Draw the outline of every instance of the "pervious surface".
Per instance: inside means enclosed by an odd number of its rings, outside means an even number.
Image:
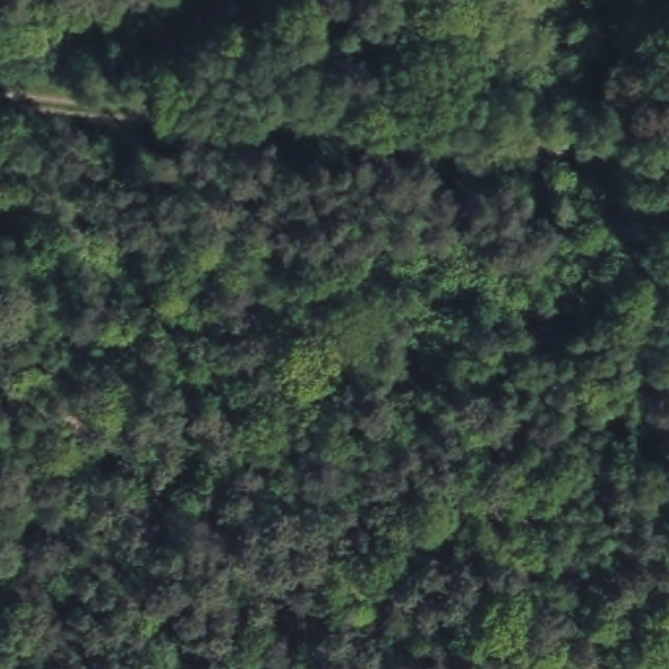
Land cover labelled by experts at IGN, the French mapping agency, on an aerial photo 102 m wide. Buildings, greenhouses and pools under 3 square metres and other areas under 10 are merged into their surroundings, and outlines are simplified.
[[[76,99],[68,97],[65,89],[60,89],[57,94],[29,94],[29,99],[39,102],[42,112],[73,115]]]

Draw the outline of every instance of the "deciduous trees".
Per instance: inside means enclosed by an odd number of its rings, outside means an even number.
[[[167,643],[154,648],[154,661],[141,669],[178,669],[175,648]]]
[[[481,530],[478,546],[483,549],[483,554],[499,564],[515,567],[517,572],[562,575],[562,570],[575,567],[580,578],[588,578],[596,564],[612,567],[614,549],[640,562],[669,562],[669,483],[666,476],[656,470],[645,473],[619,468],[612,476],[617,483],[617,504],[601,510],[593,491],[593,473],[588,468],[567,468],[559,473],[554,483],[536,486],[533,481],[528,481],[525,476],[544,460],[536,449],[528,457],[523,457],[510,473],[502,473],[497,494],[481,499],[481,491],[476,486],[483,465],[470,463],[463,473],[463,481],[455,476],[447,478],[447,486],[431,483],[421,491],[423,499],[431,504],[431,523],[416,528],[395,528],[392,557],[387,562],[376,564],[371,572],[361,572],[353,578],[342,564],[332,567],[337,588],[329,591],[332,614],[327,617],[332,627],[363,627],[374,622],[376,604],[405,572],[413,549],[442,546],[455,533],[460,515],[476,515]]]
[[[222,282],[230,293],[248,290],[267,277],[269,243],[256,243],[243,256],[240,267]]]
[[[84,319],[78,327],[60,324],[55,319],[57,303],[44,301],[34,303],[34,321],[29,324],[29,335],[0,350],[0,389],[5,389],[8,379],[21,382],[24,374],[31,371],[55,379],[57,371],[68,366],[68,355],[76,345],[94,342],[91,353],[102,355],[110,345],[99,342],[107,329],[102,329],[99,324],[86,324]]]
[[[512,651],[510,659],[517,664],[517,669],[598,669],[598,659],[580,666],[570,659],[567,645],[575,625],[567,625],[554,630],[538,651],[528,653],[528,648],[523,645]]]
[[[342,42],[342,52],[358,52],[368,42],[408,44],[421,37],[429,37],[418,55],[418,63],[402,73],[397,73],[392,65],[382,65],[382,76],[376,76],[368,84],[345,81],[340,86],[329,86],[319,78],[316,60],[327,55],[327,26],[348,18],[345,0],[306,0],[298,8],[295,24],[285,42],[280,47],[264,44],[259,50],[259,65],[251,73],[235,71],[235,63],[243,55],[243,34],[240,29],[233,29],[230,47],[222,50],[217,60],[209,60],[196,73],[193,86],[183,89],[175,76],[167,76],[162,81],[157,102],[157,136],[178,136],[212,144],[259,144],[274,128],[285,125],[295,133],[335,133],[371,154],[392,154],[418,146],[434,157],[452,157],[473,175],[483,175],[494,165],[515,165],[517,159],[536,157],[538,149],[570,149],[580,159],[609,157],[614,154],[614,146],[622,139],[617,115],[606,115],[606,123],[591,136],[570,133],[567,118],[572,102],[559,102],[554,107],[554,118],[533,118],[533,105],[541,94],[541,86],[554,84],[549,73],[549,60],[557,50],[557,29],[538,26],[536,18],[546,10],[557,10],[557,0],[376,0],[371,10],[363,16],[361,29],[355,29],[353,37]]]
[[[632,669],[669,669],[669,617],[664,619],[661,645],[656,651],[643,653],[640,664]]]
[[[0,212],[29,204],[31,196],[24,188],[0,191]]]
[[[632,588],[601,612],[601,630],[593,632],[591,643],[612,645],[627,638],[627,612],[632,606],[643,606],[648,598],[640,588]]]
[[[144,107],[144,94],[118,97],[102,78],[102,73],[86,81],[86,91],[76,99],[73,115],[94,118],[99,112],[139,112]]]
[[[63,39],[63,34],[71,31],[65,10],[55,18],[55,26],[50,29],[0,26],[0,86],[24,86],[24,91],[29,94],[57,94],[60,89],[50,78],[50,71],[55,68],[57,42]]]
[[[0,170],[37,175],[42,165],[42,149],[26,133],[24,115],[0,112]]]
[[[612,418],[625,418],[627,426],[640,426],[640,374],[635,358],[645,342],[648,327],[669,327],[669,311],[664,314],[664,319],[656,319],[653,287],[643,285],[635,298],[625,298],[617,303],[617,311],[630,316],[627,324],[601,332],[591,340],[578,340],[572,345],[575,353],[601,348],[609,353],[604,363],[596,363],[585,374],[580,389],[588,410],[588,423],[601,429]]]
[[[280,303],[314,303],[335,293],[358,287],[371,274],[371,269],[397,274],[395,301],[389,295],[374,298],[368,308],[358,311],[355,316],[335,311],[319,335],[295,340],[293,355],[277,363],[277,389],[282,389],[287,397],[295,397],[301,405],[311,405],[314,400],[327,397],[332,392],[332,376],[340,376],[345,366],[355,366],[368,379],[382,379],[384,392],[392,392],[392,384],[405,376],[405,355],[408,348],[416,348],[418,335],[434,332],[447,340],[460,340],[468,335],[465,319],[442,316],[431,311],[431,303],[439,295],[460,287],[476,287],[483,293],[483,324],[491,327],[497,321],[512,321],[517,335],[517,340],[494,345],[478,361],[460,361],[452,366],[455,382],[483,384],[502,371],[504,355],[523,353],[530,348],[533,340],[525,329],[523,308],[538,311],[544,316],[557,314],[557,301],[562,290],[580,274],[580,267],[575,267],[575,256],[598,253],[606,246],[606,238],[612,233],[604,227],[593,230],[585,240],[546,240],[525,259],[507,256],[504,261],[497,259],[491,267],[483,259],[476,259],[473,251],[460,246],[457,230],[444,233],[442,243],[426,246],[421,243],[421,230],[410,230],[397,243],[392,243],[389,238],[384,240],[371,235],[363,248],[353,248],[345,256],[340,256],[327,282],[316,287],[277,285],[269,295],[264,295],[261,306],[267,308],[280,308]]]
[[[196,355],[191,358],[193,384],[206,384],[212,376],[222,374],[248,371],[264,361],[264,353],[227,358],[222,348],[204,348],[196,350]]]
[[[89,277],[84,298],[107,293],[107,280],[120,272],[118,248],[105,240],[105,235],[86,235],[78,230],[71,238],[50,238],[44,233],[29,235],[26,256],[31,259],[31,272],[50,272],[63,253],[68,253],[71,259],[78,259],[84,264],[84,272]]]
[[[669,110],[666,115],[651,115],[635,123],[635,131],[643,139],[622,162],[632,172],[651,175],[643,191],[632,196],[630,206],[638,212],[669,212]]]
[[[167,303],[159,306],[159,311],[172,324],[180,324],[186,329],[201,327],[193,295],[201,290],[206,272],[222,261],[225,253],[220,246],[209,246],[186,267],[170,267]]]

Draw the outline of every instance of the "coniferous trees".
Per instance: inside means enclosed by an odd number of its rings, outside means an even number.
[[[175,76],[183,89],[193,86],[196,73],[209,60],[217,60],[222,50],[230,47],[233,29],[240,29],[243,34],[243,55],[235,63],[235,71],[251,73],[259,65],[259,50],[264,44],[280,47],[285,42],[295,24],[298,8],[306,0],[0,0],[0,26],[50,29],[55,26],[55,18],[65,10],[71,31],[63,34],[63,39],[57,42],[55,68],[50,71],[50,78],[60,89],[65,89],[68,97],[76,99],[86,91],[86,81],[102,73],[102,78],[118,97],[144,94],[144,107],[139,112],[99,112],[94,118],[73,115],[42,112],[39,102],[29,99],[29,94],[24,91],[24,86],[0,86],[0,112],[24,115],[26,133],[42,149],[42,165],[37,175],[0,170],[0,191],[24,188],[31,196],[29,204],[0,212],[0,350],[29,335],[29,324],[34,321],[34,303],[44,301],[57,303],[55,319],[60,324],[78,327],[84,319],[86,324],[99,324],[102,329],[107,329],[99,342],[110,345],[102,355],[91,353],[94,342],[76,345],[68,355],[68,366],[57,371],[55,379],[31,371],[24,374],[21,382],[8,379],[5,389],[0,389],[0,669],[141,669],[154,661],[154,648],[167,643],[175,648],[178,669],[517,669],[517,664],[510,659],[512,651],[523,645],[528,648],[528,653],[538,651],[554,630],[567,625],[575,625],[567,645],[570,659],[580,666],[598,659],[598,669],[632,669],[640,664],[643,653],[656,651],[661,645],[664,619],[669,617],[669,562],[640,562],[614,549],[612,567],[596,564],[588,578],[580,578],[575,567],[562,570],[562,575],[517,572],[515,567],[499,564],[483,554],[483,549],[478,546],[481,530],[476,515],[460,515],[455,533],[442,546],[413,549],[405,572],[376,604],[374,622],[363,627],[332,627],[327,617],[332,614],[329,591],[337,588],[332,567],[342,564],[353,578],[361,572],[371,572],[376,564],[387,562],[392,557],[395,528],[416,528],[431,523],[431,504],[423,499],[421,491],[431,483],[447,486],[447,478],[455,476],[463,481],[463,473],[470,463],[483,465],[476,486],[481,491],[481,499],[497,494],[502,473],[510,473],[523,457],[528,457],[536,449],[544,460],[525,476],[528,481],[533,481],[536,486],[554,483],[559,473],[567,468],[588,468],[593,473],[593,491],[601,510],[617,504],[617,483],[612,476],[619,468],[645,473],[656,470],[666,476],[669,483],[669,327],[648,327],[645,342],[635,358],[640,374],[640,426],[627,426],[625,418],[612,418],[601,429],[588,423],[588,410],[580,389],[585,374],[596,363],[604,363],[609,353],[601,348],[575,353],[572,345],[578,340],[591,340],[601,332],[627,324],[630,316],[617,311],[617,303],[625,298],[635,298],[643,285],[653,287],[656,319],[664,319],[664,314],[669,311],[669,212],[638,212],[630,206],[632,196],[643,191],[651,175],[632,172],[622,162],[643,139],[635,131],[635,123],[651,115],[666,115],[669,110],[669,0],[557,0],[557,10],[546,10],[536,18],[538,26],[557,29],[557,50],[549,60],[549,73],[554,84],[541,86],[541,94],[533,105],[533,118],[554,118],[554,107],[559,102],[572,102],[567,118],[570,133],[591,136],[606,123],[606,115],[617,115],[622,139],[614,146],[614,154],[609,157],[580,159],[570,149],[538,149],[536,157],[517,159],[515,165],[494,165],[483,175],[473,175],[452,157],[434,157],[418,146],[392,154],[371,154],[335,133],[295,133],[285,125],[274,128],[259,144],[212,144],[178,136],[157,136],[157,102],[162,81],[167,76]],[[507,256],[525,259],[546,240],[585,240],[593,230],[604,227],[612,233],[606,238],[606,246],[598,253],[575,256],[575,267],[580,267],[580,274],[562,290],[557,301],[557,314],[544,316],[538,311],[523,308],[525,329],[533,340],[530,348],[523,353],[504,355],[502,371],[483,384],[455,382],[452,366],[460,361],[478,361],[494,345],[517,340],[517,335],[512,321],[497,321],[491,327],[483,324],[483,293],[476,287],[460,287],[439,295],[431,303],[431,311],[442,316],[465,319],[468,335],[460,340],[447,340],[434,332],[418,335],[416,348],[408,348],[405,355],[405,376],[392,384],[392,392],[384,392],[382,379],[368,379],[355,366],[345,366],[340,376],[332,376],[332,392],[327,397],[314,400],[311,405],[301,405],[295,397],[287,397],[282,389],[277,389],[277,363],[293,355],[295,340],[319,335],[335,311],[355,316],[358,311],[368,308],[374,298],[389,295],[395,301],[397,274],[371,269],[371,274],[358,287],[335,293],[314,303],[280,303],[280,308],[267,308],[261,306],[264,295],[269,295],[277,285],[316,287],[327,282],[340,256],[345,256],[353,248],[363,248],[371,235],[384,240],[389,238],[392,243],[397,243],[410,230],[421,230],[421,243],[426,246],[442,243],[444,233],[457,230],[460,246],[473,251],[476,259],[483,259],[491,267],[497,259],[504,261]],[[68,253],[63,253],[50,272],[31,272],[31,259],[26,256],[29,235],[44,233],[50,238],[71,238],[78,230],[86,235],[105,235],[105,240],[118,248],[120,272],[107,280],[107,293],[84,298],[89,277],[84,272],[84,264],[78,259],[71,259]],[[243,256],[256,243],[269,243],[267,277],[248,290],[230,293],[222,282],[240,267]],[[186,267],[209,246],[220,246],[225,253],[222,261],[206,272],[201,290],[193,295],[201,327],[186,329],[180,324],[172,324],[159,311],[159,306],[167,303],[170,267]],[[204,348],[222,348],[227,358],[264,353],[264,361],[248,371],[222,374],[212,376],[206,384],[193,384],[191,358],[196,355],[196,350]],[[601,630],[601,612],[632,588],[640,588],[648,598],[643,606],[632,606],[627,612],[627,638],[612,645],[591,643],[593,632]]]
[[[371,10],[376,0],[345,0],[348,18],[327,26],[327,55],[316,60],[319,78],[329,86],[340,86],[345,81],[368,84],[376,76],[382,76],[382,65],[392,65],[397,73],[402,73],[418,63],[418,55],[429,37],[421,37],[408,44],[368,42],[358,52],[342,52],[342,42],[353,37],[355,29],[361,29],[363,16]]]

